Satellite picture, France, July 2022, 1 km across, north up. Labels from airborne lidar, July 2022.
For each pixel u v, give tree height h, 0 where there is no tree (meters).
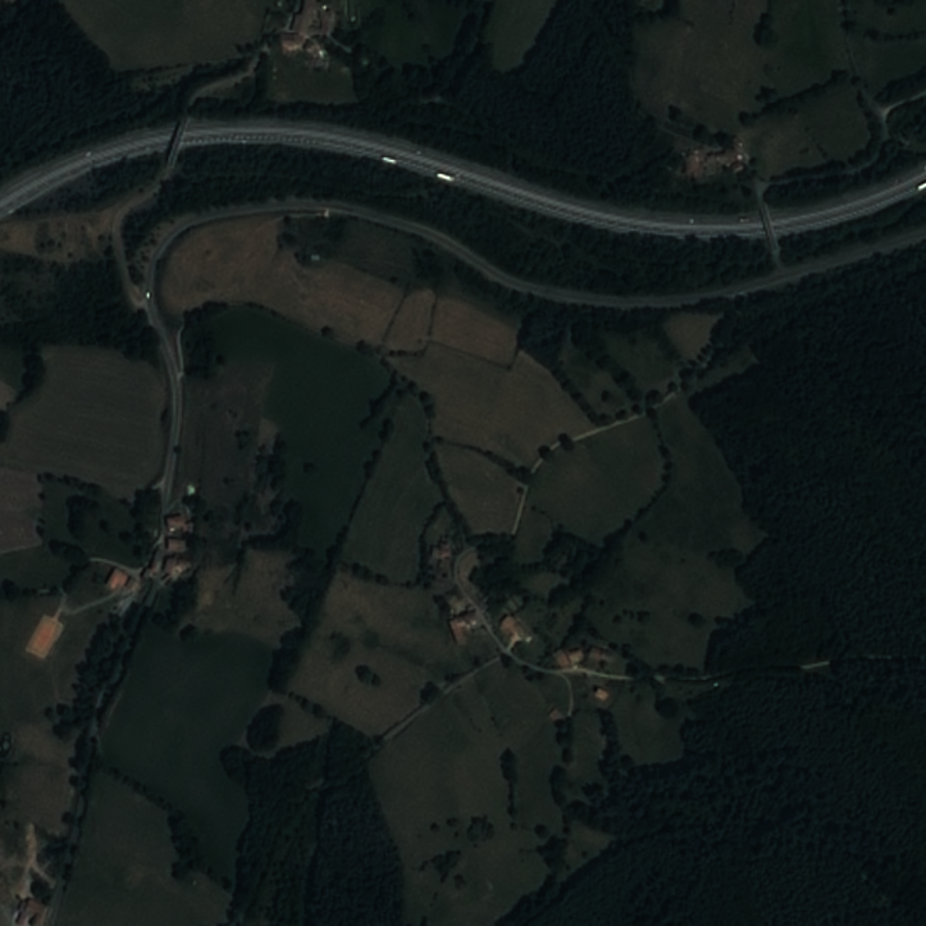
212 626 0
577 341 14
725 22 0
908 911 13
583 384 0
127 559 0
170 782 0
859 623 15
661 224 0
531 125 25
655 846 22
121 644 12
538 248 11
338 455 0
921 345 23
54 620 0
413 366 0
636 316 14
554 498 0
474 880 0
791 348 17
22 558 0
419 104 7
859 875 15
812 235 10
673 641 0
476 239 10
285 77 0
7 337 9
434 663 0
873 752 15
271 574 0
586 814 16
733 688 7
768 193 7
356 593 0
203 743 0
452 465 0
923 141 6
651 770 13
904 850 14
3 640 0
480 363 0
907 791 13
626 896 23
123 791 0
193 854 18
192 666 0
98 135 14
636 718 0
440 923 0
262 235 0
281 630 0
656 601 0
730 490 0
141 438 0
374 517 0
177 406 0
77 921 0
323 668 0
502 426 0
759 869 17
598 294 12
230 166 7
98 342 10
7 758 0
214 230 0
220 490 0
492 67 11
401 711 0
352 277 0
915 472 15
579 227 13
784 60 0
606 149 22
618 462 0
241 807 0
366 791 9
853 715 14
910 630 13
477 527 0
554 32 15
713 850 12
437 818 0
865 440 11
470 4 18
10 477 0
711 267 10
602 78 24
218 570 0
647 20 11
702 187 7
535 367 0
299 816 8
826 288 11
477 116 21
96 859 0
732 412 17
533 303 12
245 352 0
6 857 0
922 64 0
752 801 16
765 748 15
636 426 0
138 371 0
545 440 0
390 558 0
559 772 14
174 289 0
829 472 14
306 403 0
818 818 12
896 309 23
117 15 0
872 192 0
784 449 14
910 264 15
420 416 0
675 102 0
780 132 0
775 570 10
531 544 0
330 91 0
